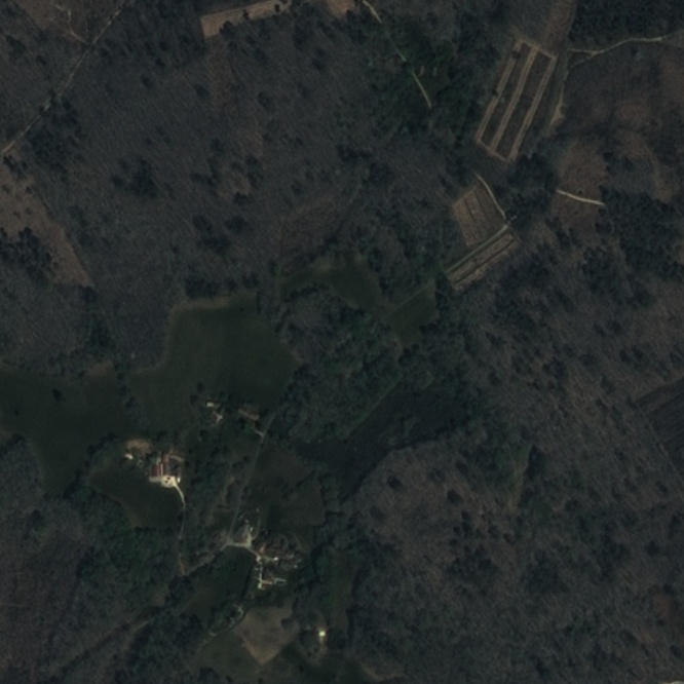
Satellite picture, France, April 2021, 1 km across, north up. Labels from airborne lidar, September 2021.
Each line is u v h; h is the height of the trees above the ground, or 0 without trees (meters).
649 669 23
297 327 11
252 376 0
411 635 17
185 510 15
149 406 0
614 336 22
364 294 0
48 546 7
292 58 16
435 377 18
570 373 20
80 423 0
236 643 0
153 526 0
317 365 19
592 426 22
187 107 16
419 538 10
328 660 0
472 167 16
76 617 20
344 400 24
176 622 21
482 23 29
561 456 23
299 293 0
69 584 7
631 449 19
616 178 24
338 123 15
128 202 17
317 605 18
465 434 13
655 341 20
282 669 0
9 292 22
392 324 0
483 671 23
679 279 22
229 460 21
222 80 7
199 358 0
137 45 7
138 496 0
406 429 8
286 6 0
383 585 15
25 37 18
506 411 19
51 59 19
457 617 17
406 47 10
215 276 16
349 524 13
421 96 10
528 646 21
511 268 14
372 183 14
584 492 23
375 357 19
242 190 15
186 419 0
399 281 13
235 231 20
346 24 15
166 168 16
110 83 16
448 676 25
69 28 7
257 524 0
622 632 26
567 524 16
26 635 9
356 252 14
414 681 23
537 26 22
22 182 32
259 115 19
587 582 18
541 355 14
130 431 0
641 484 16
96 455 18
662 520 8
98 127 16
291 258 7
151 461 13
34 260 28
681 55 8
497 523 21
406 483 15
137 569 22
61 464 0
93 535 26
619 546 12
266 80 16
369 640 25
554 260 26
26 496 18
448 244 14
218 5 10
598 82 9
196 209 16
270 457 0
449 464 15
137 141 17
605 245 15
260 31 17
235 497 20
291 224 6
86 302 21
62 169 15
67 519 17
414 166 23
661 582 16
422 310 0
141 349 20
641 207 23
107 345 27
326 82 19
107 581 20
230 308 0
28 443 13
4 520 15
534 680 19
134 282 22
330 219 8
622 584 19
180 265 16
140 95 15
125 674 8
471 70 16
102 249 17
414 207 19
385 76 8
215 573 15
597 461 15
